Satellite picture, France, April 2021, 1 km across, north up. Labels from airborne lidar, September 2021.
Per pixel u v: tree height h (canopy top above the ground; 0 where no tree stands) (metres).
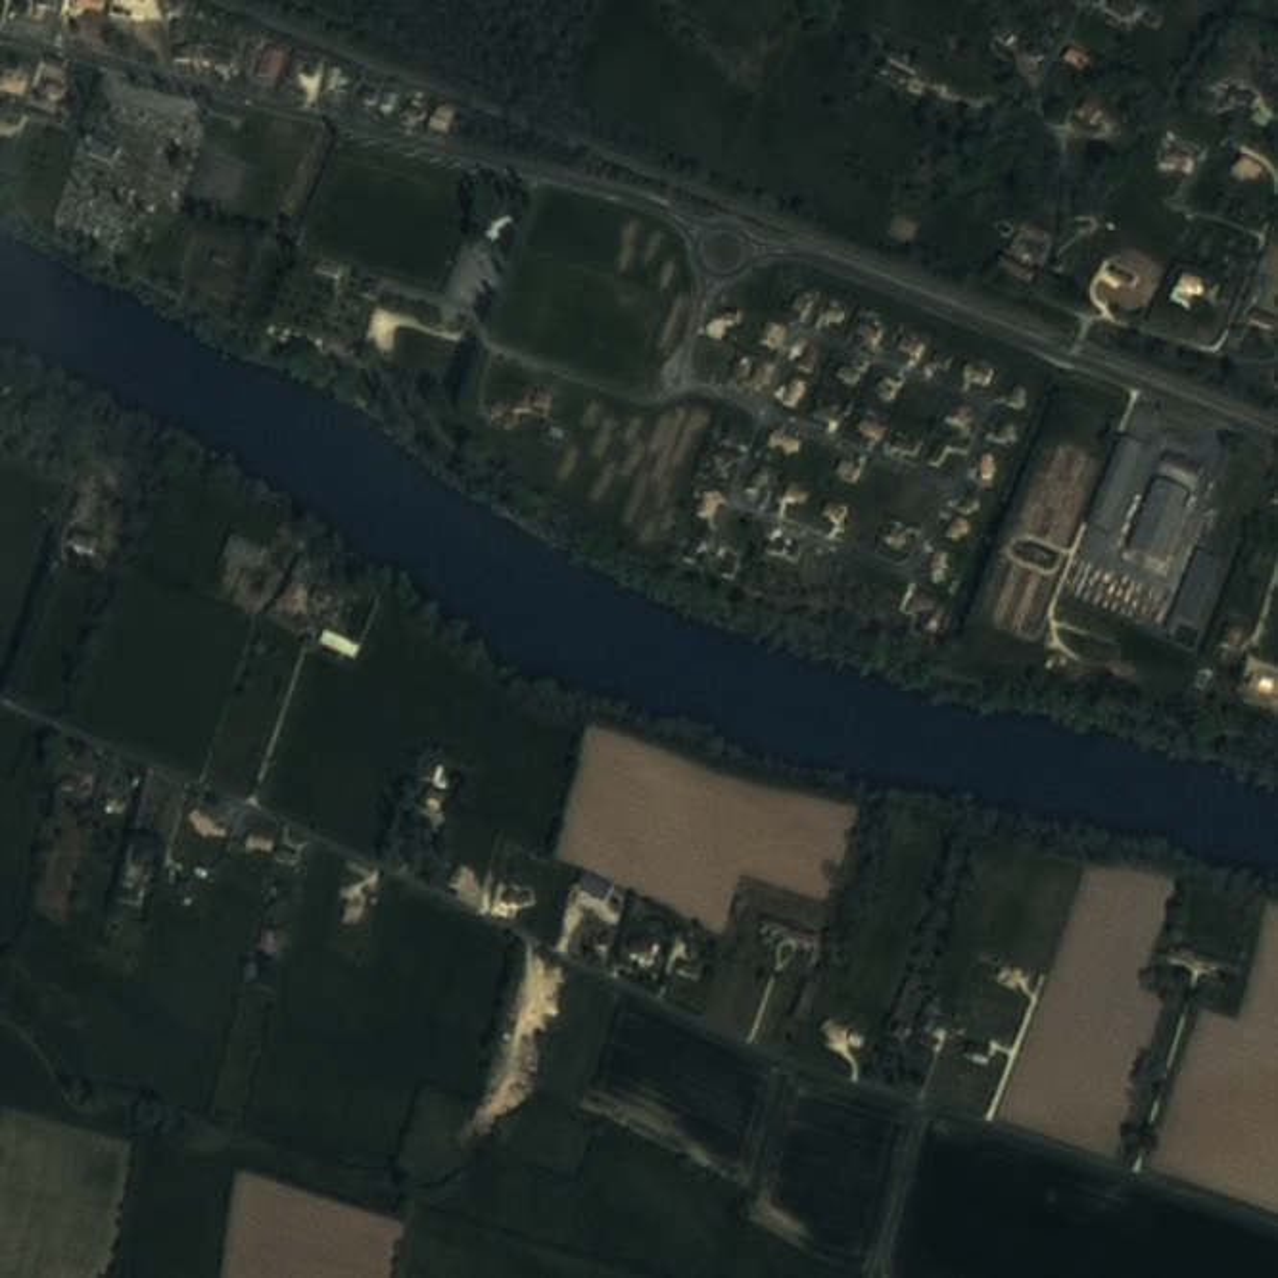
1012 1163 0
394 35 18
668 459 0
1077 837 22
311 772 0
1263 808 0
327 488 0
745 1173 0
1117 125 0
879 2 0
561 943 0
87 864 0
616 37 0
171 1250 0
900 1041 7
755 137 0
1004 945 0
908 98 0
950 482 0
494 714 0
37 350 0
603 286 0
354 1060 0
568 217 0
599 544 22
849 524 10
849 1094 0
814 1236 0
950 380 0
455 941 0
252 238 16
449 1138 0
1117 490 0
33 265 0
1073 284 9
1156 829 0
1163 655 0
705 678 0
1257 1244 0
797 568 0
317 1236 0
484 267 0
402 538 0
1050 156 14
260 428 0
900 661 28
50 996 0
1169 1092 14
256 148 0
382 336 0
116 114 0
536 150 22
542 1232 0
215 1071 0
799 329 0
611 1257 0
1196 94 19
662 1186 0
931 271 12
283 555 0
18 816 0
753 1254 0
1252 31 19
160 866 7
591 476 0
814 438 0
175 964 0
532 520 23
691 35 14
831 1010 0
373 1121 0
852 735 0
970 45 6
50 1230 0
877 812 10
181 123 0
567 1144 0
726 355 0
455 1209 0
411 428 38
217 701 0
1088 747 0
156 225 0
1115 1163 0
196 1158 0
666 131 0
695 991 0
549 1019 9
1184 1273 0
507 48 22
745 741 0
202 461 20
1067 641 0
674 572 10
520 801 0
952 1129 0
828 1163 0
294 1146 0
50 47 0
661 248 0
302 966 0
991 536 6
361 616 0
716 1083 0
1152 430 0
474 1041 0
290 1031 0
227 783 0
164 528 0
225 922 0
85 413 12
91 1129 0
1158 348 13
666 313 0
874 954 0
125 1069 0
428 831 15
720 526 0
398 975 0
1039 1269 0
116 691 0
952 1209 0
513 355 0
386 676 0
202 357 0
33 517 0
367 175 0
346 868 0
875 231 0
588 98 0
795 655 9
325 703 0
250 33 22
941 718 0
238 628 0
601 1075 0
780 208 7
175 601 0
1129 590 0
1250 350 7
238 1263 0
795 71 0
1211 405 0
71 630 0
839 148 0
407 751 0
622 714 18
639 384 0
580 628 0
